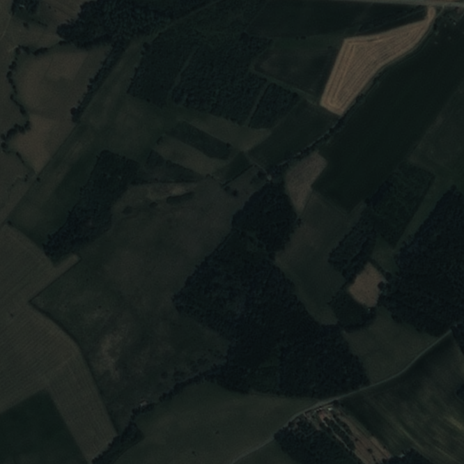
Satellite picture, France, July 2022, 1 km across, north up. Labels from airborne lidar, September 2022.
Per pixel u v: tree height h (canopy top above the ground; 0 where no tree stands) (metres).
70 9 0
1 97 0
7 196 0
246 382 13
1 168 0
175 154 0
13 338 0
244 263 12
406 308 21
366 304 0
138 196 0
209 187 0
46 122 0
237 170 0
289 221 19
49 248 17
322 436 11
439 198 0
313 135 0
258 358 19
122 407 0
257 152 0
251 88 6
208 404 0
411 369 0
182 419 0
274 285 23
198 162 0
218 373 15
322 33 0
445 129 0
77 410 0
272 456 0
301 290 0
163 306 0
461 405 0
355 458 10
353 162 0
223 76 6
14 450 0
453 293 15
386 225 8
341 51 0
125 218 0
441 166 0
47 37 0
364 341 0
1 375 0
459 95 0
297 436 6
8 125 0
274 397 0
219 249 7
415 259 32
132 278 0
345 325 7
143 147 0
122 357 0
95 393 0
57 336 0
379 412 0
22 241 0
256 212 22
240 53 12
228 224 0
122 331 0
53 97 0
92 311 0
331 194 0
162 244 0
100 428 0
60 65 0
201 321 9
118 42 18
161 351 0
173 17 26
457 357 0
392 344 0
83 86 0
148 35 12
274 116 7
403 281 24
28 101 0
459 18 0
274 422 0
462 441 0
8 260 0
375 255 0
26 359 0
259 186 0
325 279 0
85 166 0
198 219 0
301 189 0
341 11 0
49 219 0
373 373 0
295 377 14
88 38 7
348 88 0
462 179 0
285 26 0
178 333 0
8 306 0
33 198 0
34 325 0
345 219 0
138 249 0
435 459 0
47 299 0
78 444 0
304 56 0
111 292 0
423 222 0
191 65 6
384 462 10
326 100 0
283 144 0
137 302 0
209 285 18
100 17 19
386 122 0
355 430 0
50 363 0
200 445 0
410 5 0
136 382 0
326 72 0
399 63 0
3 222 0
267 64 0
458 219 26
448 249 16
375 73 0
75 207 6
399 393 0
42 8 0
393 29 0
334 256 14
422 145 0
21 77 0
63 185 0
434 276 15
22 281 0
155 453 0
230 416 0
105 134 0
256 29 0
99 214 8
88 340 0
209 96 7
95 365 0
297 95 14
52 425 0
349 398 0
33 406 0
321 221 0
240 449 0
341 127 13
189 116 0
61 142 0
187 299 16
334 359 18
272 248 17
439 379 0
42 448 0
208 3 7
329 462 6
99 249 0
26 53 10
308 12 0
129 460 0
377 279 0
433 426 0
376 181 0
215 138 0
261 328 22
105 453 8
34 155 0
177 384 8
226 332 8
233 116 7
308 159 0
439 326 11
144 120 0
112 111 0
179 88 8
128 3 13
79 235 12
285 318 18
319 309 0
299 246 0
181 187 0
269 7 0
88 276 0
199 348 0
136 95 12
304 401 0
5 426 0
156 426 0
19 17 0
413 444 0
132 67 0
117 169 7
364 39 0
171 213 0
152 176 0
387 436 0
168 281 0
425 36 0
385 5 0
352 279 14
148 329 0
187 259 0
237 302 28
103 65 15
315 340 16
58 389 0
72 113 15
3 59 0
